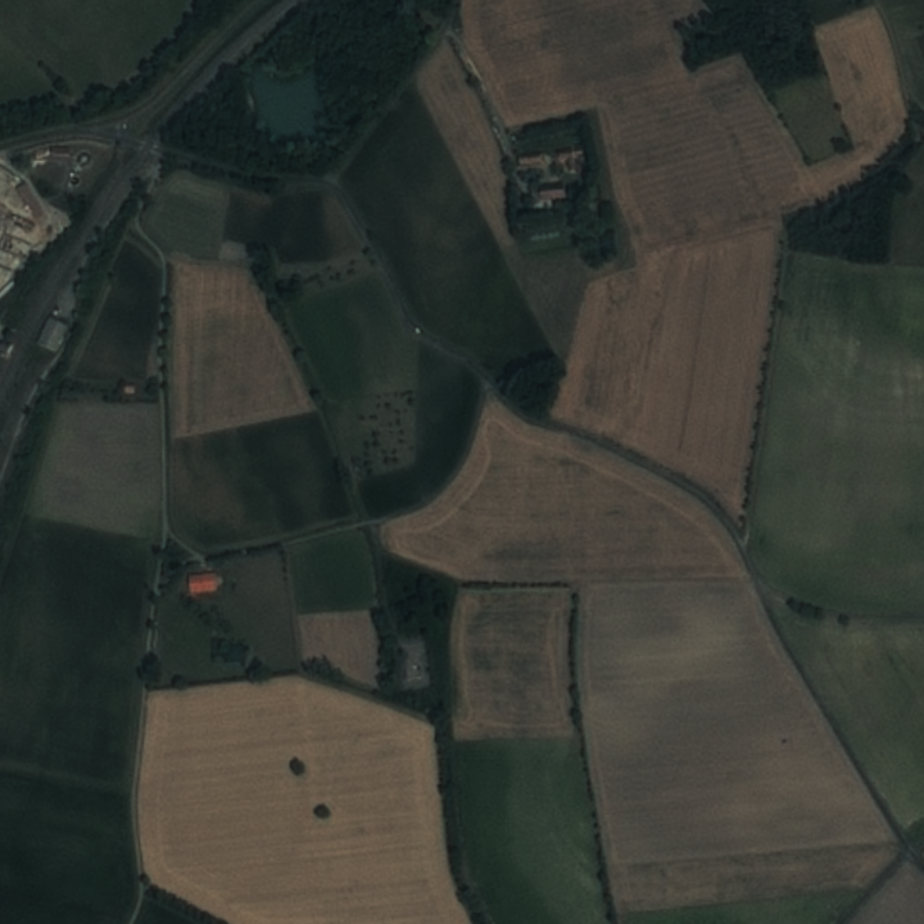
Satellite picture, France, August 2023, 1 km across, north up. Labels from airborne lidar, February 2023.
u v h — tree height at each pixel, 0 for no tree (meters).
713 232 0
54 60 0
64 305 0
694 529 0
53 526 0
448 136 0
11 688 0
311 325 0
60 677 0
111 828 0
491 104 0
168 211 0
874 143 0
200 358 0
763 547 0
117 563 0
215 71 0
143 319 0
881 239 9
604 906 0
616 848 0
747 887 0
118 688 0
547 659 0
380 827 0
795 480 0
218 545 0
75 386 7
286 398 0
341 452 0
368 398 0
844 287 0
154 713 0
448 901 0
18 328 0
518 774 0
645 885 0
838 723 0
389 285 0
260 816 0
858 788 0
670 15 0
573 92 0
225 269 0
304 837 0
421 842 0
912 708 0
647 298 0
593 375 0
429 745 0
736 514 0
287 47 23
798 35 19
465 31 0
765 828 0
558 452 0
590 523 0
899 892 0
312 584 0
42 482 0
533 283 0
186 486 0
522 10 0
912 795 0
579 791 0
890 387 0
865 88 0
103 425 0
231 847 0
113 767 0
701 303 0
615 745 0
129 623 0
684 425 0
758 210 0
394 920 0
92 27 0
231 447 0
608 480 0
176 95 0
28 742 0
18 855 0
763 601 0
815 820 0
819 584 0
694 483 0
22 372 0
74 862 0
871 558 0
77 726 0
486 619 0
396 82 20
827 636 0
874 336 0
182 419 0
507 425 0
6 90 0
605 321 0
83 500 0
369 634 0
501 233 0
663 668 0
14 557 0
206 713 0
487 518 0
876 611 0
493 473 0
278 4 0
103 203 0
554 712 0
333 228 0
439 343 0
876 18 0
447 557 0
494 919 0
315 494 0
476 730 0
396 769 0
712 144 0
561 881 0
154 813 0
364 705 0
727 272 0
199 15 18
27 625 0
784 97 0
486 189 0
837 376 0
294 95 0
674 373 0
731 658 0
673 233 0
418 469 0
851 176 0
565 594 0
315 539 0
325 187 0
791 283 0
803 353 0
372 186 0
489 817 0
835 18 0
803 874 0
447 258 0
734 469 0
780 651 0
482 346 0
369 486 0
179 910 21
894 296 0
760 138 0
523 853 0
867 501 0
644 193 0
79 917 0
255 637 0
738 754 0
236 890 0
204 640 0
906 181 15
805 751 0
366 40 28
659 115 0
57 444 0
